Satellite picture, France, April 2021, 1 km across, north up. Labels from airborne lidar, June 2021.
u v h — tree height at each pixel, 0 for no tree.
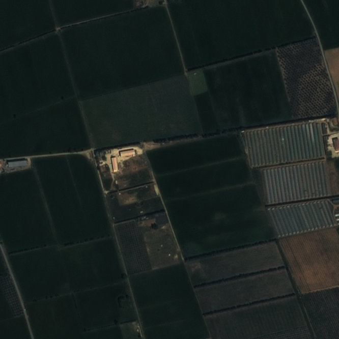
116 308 0
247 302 0
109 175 0
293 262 0
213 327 0
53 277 0
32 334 0
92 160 0
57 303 0
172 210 0
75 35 0
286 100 0
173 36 0
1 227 0
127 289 0
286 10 0
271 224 0
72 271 0
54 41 0
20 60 0
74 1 0
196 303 0
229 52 0
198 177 0
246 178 0
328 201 0
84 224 0
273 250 0
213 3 0
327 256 0
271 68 0
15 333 0
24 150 0
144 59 0
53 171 0
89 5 0
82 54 0
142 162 0
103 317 0
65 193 0
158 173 0
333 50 0
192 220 0
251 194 0
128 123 0
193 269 0
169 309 0
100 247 0
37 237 0
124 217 0
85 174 0
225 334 0
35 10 0
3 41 0
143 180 0
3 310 0
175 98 0
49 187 0
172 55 0
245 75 0
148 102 0
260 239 0
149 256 0
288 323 0
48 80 0
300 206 0
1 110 0
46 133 0
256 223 0
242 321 0
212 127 0
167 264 0
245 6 0
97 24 0
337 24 0
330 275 0
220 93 0
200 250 0
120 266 0
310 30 0
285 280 0
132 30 0
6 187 0
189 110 0
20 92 0
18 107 0
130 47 0
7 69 0
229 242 0
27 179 0
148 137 0
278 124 10
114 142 0
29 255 0
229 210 0
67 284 0
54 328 0
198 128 0
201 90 0
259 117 0
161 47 0
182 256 0
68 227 0
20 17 0
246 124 0
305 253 0
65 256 0
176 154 0
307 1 0
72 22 0
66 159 0
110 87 0
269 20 0
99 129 0
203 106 0
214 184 0
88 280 0
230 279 9
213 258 0
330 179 0
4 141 0
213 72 0
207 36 0
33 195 0
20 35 0
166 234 0
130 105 0
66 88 0
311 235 0
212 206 0
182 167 0
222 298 0
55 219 0
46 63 0
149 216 12
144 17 0
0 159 0
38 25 0
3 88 0
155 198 0
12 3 0
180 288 0
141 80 0
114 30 0
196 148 0
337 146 0
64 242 0
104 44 0
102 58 0
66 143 0
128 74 0
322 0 0
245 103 0
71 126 0
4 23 0
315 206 0
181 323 0
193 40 0
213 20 0
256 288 0
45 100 0
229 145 0
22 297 0
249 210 0
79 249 0
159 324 0
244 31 0
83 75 0
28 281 0
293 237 0
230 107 0
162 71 0
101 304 0
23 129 0
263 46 0
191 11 0
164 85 0
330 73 0
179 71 0
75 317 0
